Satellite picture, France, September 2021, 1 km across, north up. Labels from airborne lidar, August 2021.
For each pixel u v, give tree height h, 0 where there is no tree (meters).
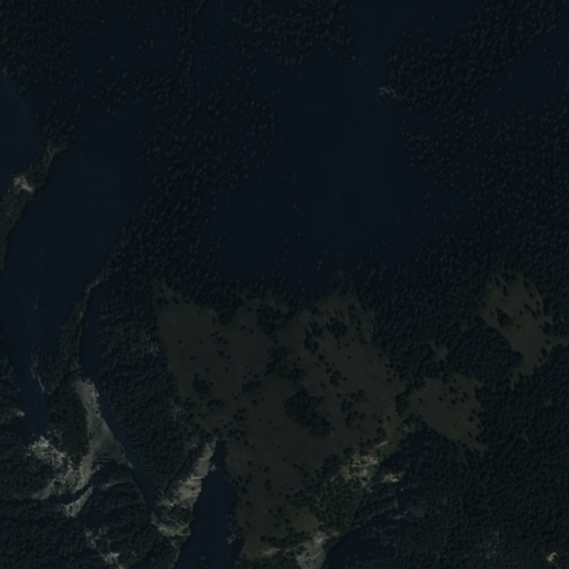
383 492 9
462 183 21
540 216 14
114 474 11
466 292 27
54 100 20
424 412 0
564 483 27
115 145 13
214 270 13
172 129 23
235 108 26
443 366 11
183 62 16
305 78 15
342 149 6
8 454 17
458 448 10
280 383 0
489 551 6
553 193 18
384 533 6
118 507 12
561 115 31
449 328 24
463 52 27
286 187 20
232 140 12
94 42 21
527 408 17
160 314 0
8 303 9
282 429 0
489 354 26
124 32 18
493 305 0
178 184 22
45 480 7
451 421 0
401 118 21
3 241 11
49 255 7
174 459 16
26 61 19
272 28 27
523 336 0
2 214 12
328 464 12
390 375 7
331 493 10
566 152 25
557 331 14
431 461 17
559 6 13
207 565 7
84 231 0
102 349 10
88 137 19
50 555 16
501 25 19
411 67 21
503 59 23
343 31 12
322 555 0
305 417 14
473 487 26
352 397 8
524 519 25
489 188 14
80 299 9
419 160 36
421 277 19
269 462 0
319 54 11
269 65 9
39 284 27
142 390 18
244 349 0
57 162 8
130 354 8
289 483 0
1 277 9
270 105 23
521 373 0
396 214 25
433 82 18
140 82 30
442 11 16
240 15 12
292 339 0
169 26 21
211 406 9
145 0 16
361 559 12
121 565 11
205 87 22
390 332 19
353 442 0
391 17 7
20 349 10
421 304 23
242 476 0
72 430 16
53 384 16
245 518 0
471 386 0
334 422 0
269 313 8
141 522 6
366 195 0
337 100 11
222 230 11
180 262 24
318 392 0
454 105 15
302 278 11
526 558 14
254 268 20
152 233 16
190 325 0
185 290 21
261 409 0
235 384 0
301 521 0
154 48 9
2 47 22
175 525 9
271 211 25
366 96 7
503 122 29
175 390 6
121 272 7
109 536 11
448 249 16
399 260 9
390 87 16
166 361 11
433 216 17
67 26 20
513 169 20
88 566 12
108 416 0
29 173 8
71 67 21
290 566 15
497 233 19
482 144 18
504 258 20
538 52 14
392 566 17
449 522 12
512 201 19
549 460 29
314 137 10
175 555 8
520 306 0
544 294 17
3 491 12
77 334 14
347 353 0
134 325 20
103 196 0
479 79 20
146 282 19
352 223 12
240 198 32
